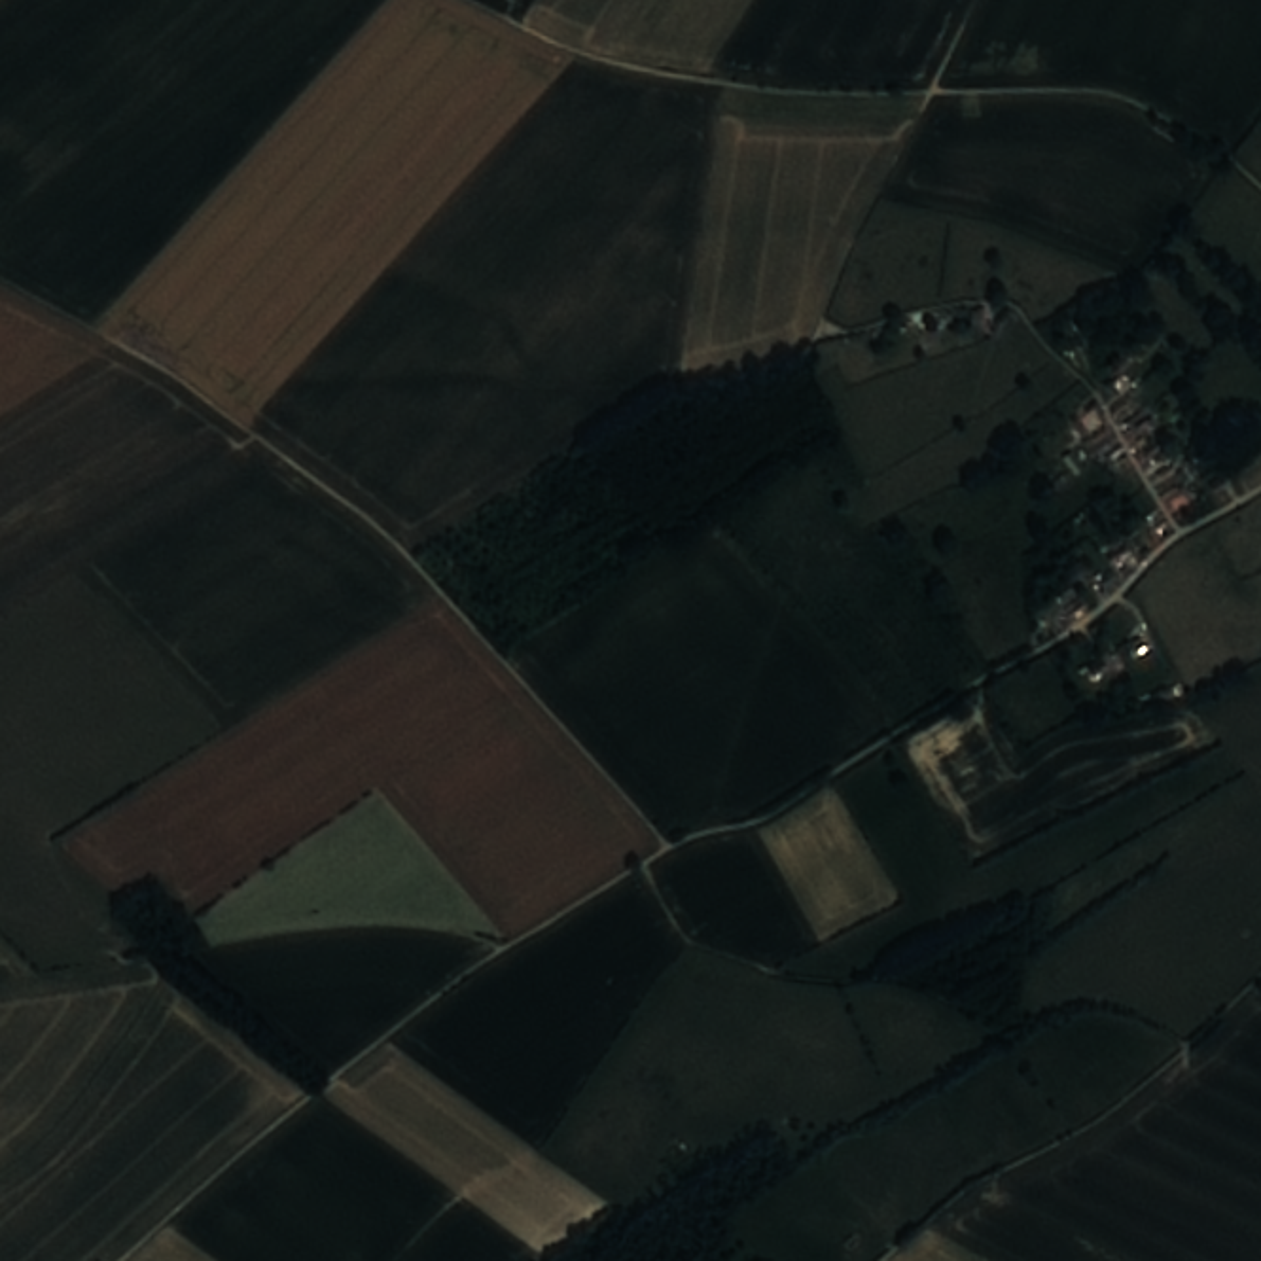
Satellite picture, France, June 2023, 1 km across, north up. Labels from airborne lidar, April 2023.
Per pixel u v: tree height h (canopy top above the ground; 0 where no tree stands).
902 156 0
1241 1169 0
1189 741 0
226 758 0
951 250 0
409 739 0
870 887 0
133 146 0
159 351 0
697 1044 0
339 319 0
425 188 0
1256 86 0
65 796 0
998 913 17
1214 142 11
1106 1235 0
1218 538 0
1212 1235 0
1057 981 0
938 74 0
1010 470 19
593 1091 0
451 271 0
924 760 0
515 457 0
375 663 0
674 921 0
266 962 0
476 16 0
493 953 0
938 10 0
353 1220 0
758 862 0
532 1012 0
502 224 0
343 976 0
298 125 0
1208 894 0
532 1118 0
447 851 0
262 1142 0
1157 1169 0
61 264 0
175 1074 0
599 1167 0
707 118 0
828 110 0
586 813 0
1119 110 0
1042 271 0
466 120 0
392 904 0
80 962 0
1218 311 23
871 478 0
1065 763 0
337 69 0
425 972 0
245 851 0
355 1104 0
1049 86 0
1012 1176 0
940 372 0
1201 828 0
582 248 0
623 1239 15
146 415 0
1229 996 0
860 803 0
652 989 0
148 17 0
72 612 0
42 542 0
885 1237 0
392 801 0
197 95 0
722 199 0
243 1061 0
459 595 7
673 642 0
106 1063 0
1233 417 23
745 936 0
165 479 0
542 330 0
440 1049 0
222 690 0
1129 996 0
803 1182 0
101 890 0
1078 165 0
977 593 0
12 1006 0
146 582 0
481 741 0
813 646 0
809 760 0
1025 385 13
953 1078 14
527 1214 0
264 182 0
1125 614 0
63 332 0
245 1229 0
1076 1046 0
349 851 0
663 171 0
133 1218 0
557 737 0
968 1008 6
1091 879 0
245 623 0
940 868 0
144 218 0
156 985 0
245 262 0
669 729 0
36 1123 0
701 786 0
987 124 0
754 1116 0
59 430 0
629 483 24
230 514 0
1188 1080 0
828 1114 0
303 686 0
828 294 0
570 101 0
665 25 0
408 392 0
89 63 0
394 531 0
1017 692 0
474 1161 0
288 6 0
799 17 0
